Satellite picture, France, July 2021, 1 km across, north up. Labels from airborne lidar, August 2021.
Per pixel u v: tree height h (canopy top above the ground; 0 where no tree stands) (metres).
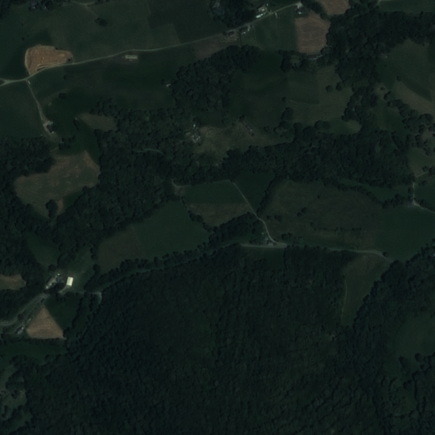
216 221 0
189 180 15
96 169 0
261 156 28
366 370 32
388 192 0
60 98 11
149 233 0
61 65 0
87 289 17
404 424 24
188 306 17
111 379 20
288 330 18
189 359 17
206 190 0
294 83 0
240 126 0
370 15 23
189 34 0
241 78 0
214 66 22
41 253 0
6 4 15
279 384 20
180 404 13
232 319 19
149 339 16
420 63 0
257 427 12
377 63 22
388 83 0
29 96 0
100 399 22
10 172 22
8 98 0
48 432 26
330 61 10
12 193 23
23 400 0
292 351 13
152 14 0
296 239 7
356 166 31
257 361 24
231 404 11
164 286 13
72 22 0
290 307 17
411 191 15
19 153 23
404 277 28
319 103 0
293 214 0
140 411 19
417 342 0
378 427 14
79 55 0
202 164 17
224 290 17
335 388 13
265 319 18
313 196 0
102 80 0
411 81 0
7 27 0
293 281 17
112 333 10
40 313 0
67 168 0
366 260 0
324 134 18
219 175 26
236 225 19
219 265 10
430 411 25
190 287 12
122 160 28
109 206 27
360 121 12
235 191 0
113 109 22
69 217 13
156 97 0
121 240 0
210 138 0
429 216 0
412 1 0
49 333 0
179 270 16
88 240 29
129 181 23
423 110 0
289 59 14
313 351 24
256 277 14
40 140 15
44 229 16
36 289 26
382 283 10
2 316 14
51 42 0
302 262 15
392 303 25
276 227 0
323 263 11
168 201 21
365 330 26
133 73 0
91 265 0
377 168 27
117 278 19
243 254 11
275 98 0
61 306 0
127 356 20
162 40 0
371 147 14
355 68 24
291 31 0
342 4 0
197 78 24
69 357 10
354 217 0
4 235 20
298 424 13
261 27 0
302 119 0
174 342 17
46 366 15
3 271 21
